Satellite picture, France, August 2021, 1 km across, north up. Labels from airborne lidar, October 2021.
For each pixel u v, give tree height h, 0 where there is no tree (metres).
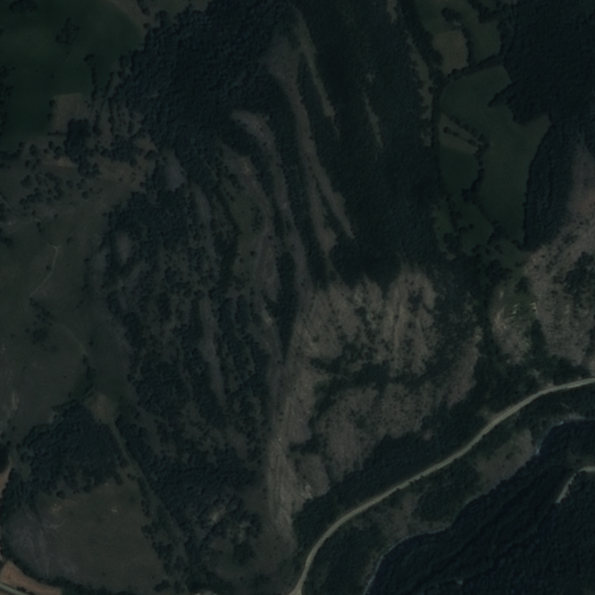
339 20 15
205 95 13
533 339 13
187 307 0
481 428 9
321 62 11
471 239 0
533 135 0
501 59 9
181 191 8
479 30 0
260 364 12
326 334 0
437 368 10
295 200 10
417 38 9
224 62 12
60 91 0
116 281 6
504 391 16
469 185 0
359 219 12
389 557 17
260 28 18
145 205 13
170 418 6
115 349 0
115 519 0
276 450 0
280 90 9
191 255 9
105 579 0
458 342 7
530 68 13
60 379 0
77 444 16
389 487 8
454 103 0
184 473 19
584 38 20
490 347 15
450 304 11
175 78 18
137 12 0
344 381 8
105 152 10
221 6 19
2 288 0
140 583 0
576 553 15
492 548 25
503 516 16
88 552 0
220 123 13
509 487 33
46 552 0
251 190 0
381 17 11
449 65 0
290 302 11
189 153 13
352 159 14
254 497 0
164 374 7
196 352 9
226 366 5
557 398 14
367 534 16
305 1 17
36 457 8
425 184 15
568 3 14
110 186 0
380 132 6
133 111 9
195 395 7
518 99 18
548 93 18
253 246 0
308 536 14
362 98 10
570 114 20
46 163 0
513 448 0
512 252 0
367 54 7
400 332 0
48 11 0
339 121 13
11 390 0
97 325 0
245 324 11
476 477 10
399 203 15
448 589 16
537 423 9
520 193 0
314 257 14
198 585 10
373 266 15
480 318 5
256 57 8
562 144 14
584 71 20
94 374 10
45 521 0
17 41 0
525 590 17
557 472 11
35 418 0
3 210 9
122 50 0
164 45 15
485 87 0
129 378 8
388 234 15
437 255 14
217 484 12
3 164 7
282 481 0
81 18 0
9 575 0
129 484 0
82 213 0
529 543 21
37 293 0
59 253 0
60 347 0
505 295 0
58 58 0
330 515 8
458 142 0
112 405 0
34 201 10
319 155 9
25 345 0
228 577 0
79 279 0
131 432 16
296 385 0
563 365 10
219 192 10
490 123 0
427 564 14
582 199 0
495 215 0
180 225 9
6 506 9
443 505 15
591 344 7
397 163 17
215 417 15
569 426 11
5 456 16
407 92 13
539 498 14
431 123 11
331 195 0
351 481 17
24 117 0
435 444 16
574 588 10
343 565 18
